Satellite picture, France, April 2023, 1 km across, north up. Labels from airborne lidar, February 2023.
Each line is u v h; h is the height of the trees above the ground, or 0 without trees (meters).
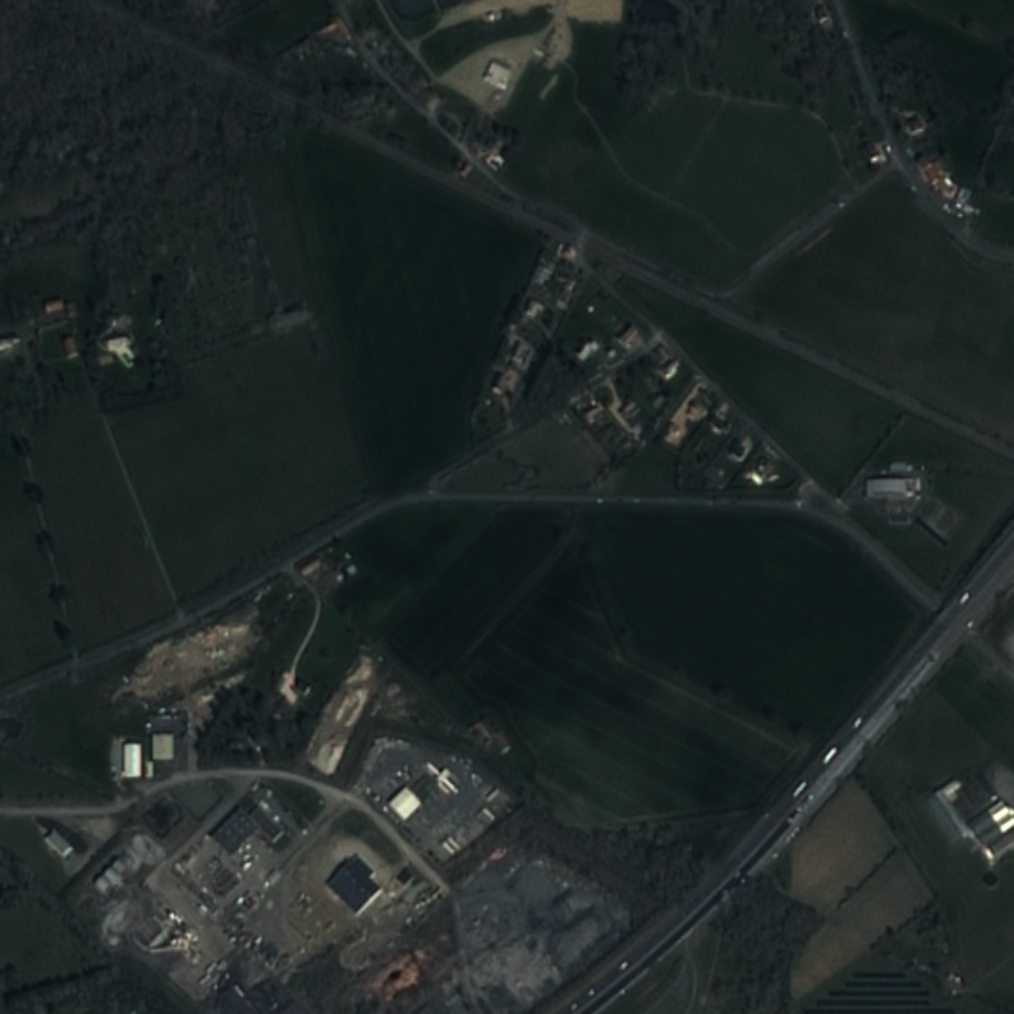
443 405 0
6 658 0
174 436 0
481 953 0
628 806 0
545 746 0
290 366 0
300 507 0
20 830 0
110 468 0
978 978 0
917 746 0
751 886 13
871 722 0
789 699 0
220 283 0
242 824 0
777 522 0
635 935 8
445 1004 0
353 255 0
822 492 0
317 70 0
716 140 0
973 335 0
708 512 0
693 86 0
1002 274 0
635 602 0
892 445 0
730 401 0
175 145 21
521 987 0
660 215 0
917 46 8
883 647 0
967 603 0
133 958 0
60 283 0
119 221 13
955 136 0
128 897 0
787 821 0
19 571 0
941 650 0
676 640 0
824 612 0
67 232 16
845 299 0
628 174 0
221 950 0
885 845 0
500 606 0
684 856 13
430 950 0
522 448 0
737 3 20
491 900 0
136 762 0
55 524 0
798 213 0
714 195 0
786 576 0
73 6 18
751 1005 13
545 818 13
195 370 0
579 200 0
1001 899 0
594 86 0
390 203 0
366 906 0
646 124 0
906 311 0
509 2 0
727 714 0
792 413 0
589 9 0
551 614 0
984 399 0
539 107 0
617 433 7
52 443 0
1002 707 0
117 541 0
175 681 0
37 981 0
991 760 0
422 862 0
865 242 0
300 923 0
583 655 0
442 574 0
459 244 0
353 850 0
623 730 0
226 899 0
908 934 0
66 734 0
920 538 0
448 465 0
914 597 0
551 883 0
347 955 0
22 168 18
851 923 0
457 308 0
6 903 10
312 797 0
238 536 0
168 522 0
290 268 0
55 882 0
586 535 0
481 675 0
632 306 0
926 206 0
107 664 10
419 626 0
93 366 6
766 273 0
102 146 12
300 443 0
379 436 0
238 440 0
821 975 0
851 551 0
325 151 0
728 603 0
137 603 0
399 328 0
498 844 11
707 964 0
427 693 0
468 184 0
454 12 0
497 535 0
